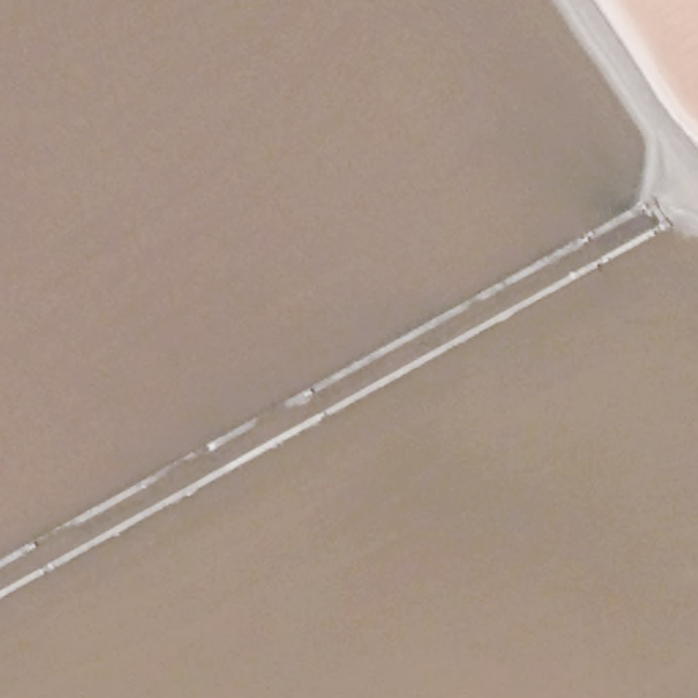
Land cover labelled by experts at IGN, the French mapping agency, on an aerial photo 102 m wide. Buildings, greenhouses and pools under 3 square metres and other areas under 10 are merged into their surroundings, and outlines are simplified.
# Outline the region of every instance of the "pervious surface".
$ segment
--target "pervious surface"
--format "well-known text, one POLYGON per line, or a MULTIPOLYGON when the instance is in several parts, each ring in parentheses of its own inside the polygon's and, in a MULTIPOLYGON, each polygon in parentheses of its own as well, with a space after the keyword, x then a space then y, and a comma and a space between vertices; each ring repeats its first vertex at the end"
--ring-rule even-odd
POLYGON ((474 297, 466 297, 464 303, 436 314, 434 319, 412 327, 409 333, 314 382, 308 390, 286 398, 286 406, 308 404, 311 395, 319 395, 322 390, 352 376, 354 371, 376 363, 379 357, 401 349, 404 344, 417 341, 420 335, 436 330, 453 316, 469 311, 480 300, 491 300, 494 294, 540 273, 548 264, 556 264, 562 256, 583 248, 586 243, 608 234, 611 229, 638 215, 657 215, 657 226, 619 243, 616 248, 570 270, 553 284, 515 300, 494 316, 466 327, 464 333, 387 371, 384 376, 363 384, 360 390, 333 401, 330 406, 294 423, 292 428, 215 466, 213 472, 196 477, 185 488, 172 491, 169 496, 136 510, 134 515, 87 537, 71 551, 0 586, 0 600, 38 581, 41 575, 68 564, 71 559, 87 553, 90 548, 123 534, 139 521, 161 513, 164 507, 177 504, 185 496, 194 496, 204 485, 275 450, 297 434, 319 425, 324 417, 344 412, 346 406, 368 398, 371 393, 393 384, 395 379, 417 371, 420 365, 442 357, 444 352, 472 341, 494 324, 507 322, 518 311, 545 300, 548 294, 556 294, 573 281, 613 262, 616 256, 643 245, 654 234, 663 234, 665 229, 679 229, 684 234, 698 237, 698 145, 663 106, 641 65, 624 46, 622 35, 613 30, 611 19, 605 16, 597 0, 553 0, 646 139, 646 166, 635 204, 603 221, 600 226, 583 232, 567 245, 551 251, 548 256, 491 284, 474 297))
POLYGON ((120 502, 164 480, 166 469, 161 466, 150 477, 79 513, 76 524, 87 524, 90 518, 117 507, 120 502))
POLYGON ((207 442, 207 450, 218 450, 226 442, 248 434, 254 428, 254 420, 248 420, 207 442))

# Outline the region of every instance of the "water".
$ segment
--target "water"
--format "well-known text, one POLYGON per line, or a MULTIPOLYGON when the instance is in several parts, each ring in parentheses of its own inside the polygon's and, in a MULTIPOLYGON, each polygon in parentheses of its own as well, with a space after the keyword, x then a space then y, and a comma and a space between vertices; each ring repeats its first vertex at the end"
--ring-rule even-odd
POLYGON ((442 357, 420 365, 417 371, 395 379, 393 384, 371 393, 368 398, 346 406, 344 412, 324 417, 319 425, 297 434, 275 450, 204 485, 194 496, 185 496, 177 504, 164 507, 161 513, 139 521, 123 534, 90 548, 87 553, 71 559, 68 564, 41 575, 38 581, 0 600, 0 698, 698 698, 698 237, 684 234, 679 229, 665 229, 663 234, 654 234, 643 245, 616 256, 613 262, 573 281, 556 294, 548 294, 545 300, 518 311, 507 322, 494 324, 472 341, 444 352, 442 357))
POLYGON ((136 510, 169 496, 172 491, 185 488, 196 477, 213 472, 215 466, 292 428, 294 423, 330 406, 333 401, 360 390, 363 384, 384 376, 387 371, 464 333, 466 327, 494 316, 515 300, 553 284, 570 270, 616 248, 619 243, 657 226, 657 215, 638 215, 611 229, 608 234, 586 243, 583 248, 562 256, 556 264, 548 264, 540 273, 494 294, 491 300, 480 300, 469 311, 453 316, 436 330, 420 335, 417 341, 404 344, 401 349, 379 357, 376 363, 354 371, 352 376, 322 390, 319 395, 311 395, 308 404, 286 406, 286 398, 308 390, 314 382, 409 333, 412 327, 434 319, 436 314, 464 303, 466 297, 474 297, 491 284, 548 256, 551 251, 567 245, 583 232, 600 226, 603 221, 635 204, 646 166, 646 139, 553 0, 0 0, 0 586, 71 551, 87 537, 134 515, 136 510), (218 450, 207 450, 207 442, 248 420, 254 420, 254 428, 248 434, 226 442, 218 450), (90 518, 87 524, 76 524, 79 513, 150 477, 161 466, 166 469, 164 480, 120 502, 117 507, 90 518))
POLYGON ((698 145, 698 0, 597 0, 605 16, 611 19, 613 30, 622 35, 624 46, 641 65, 663 106, 698 145))

